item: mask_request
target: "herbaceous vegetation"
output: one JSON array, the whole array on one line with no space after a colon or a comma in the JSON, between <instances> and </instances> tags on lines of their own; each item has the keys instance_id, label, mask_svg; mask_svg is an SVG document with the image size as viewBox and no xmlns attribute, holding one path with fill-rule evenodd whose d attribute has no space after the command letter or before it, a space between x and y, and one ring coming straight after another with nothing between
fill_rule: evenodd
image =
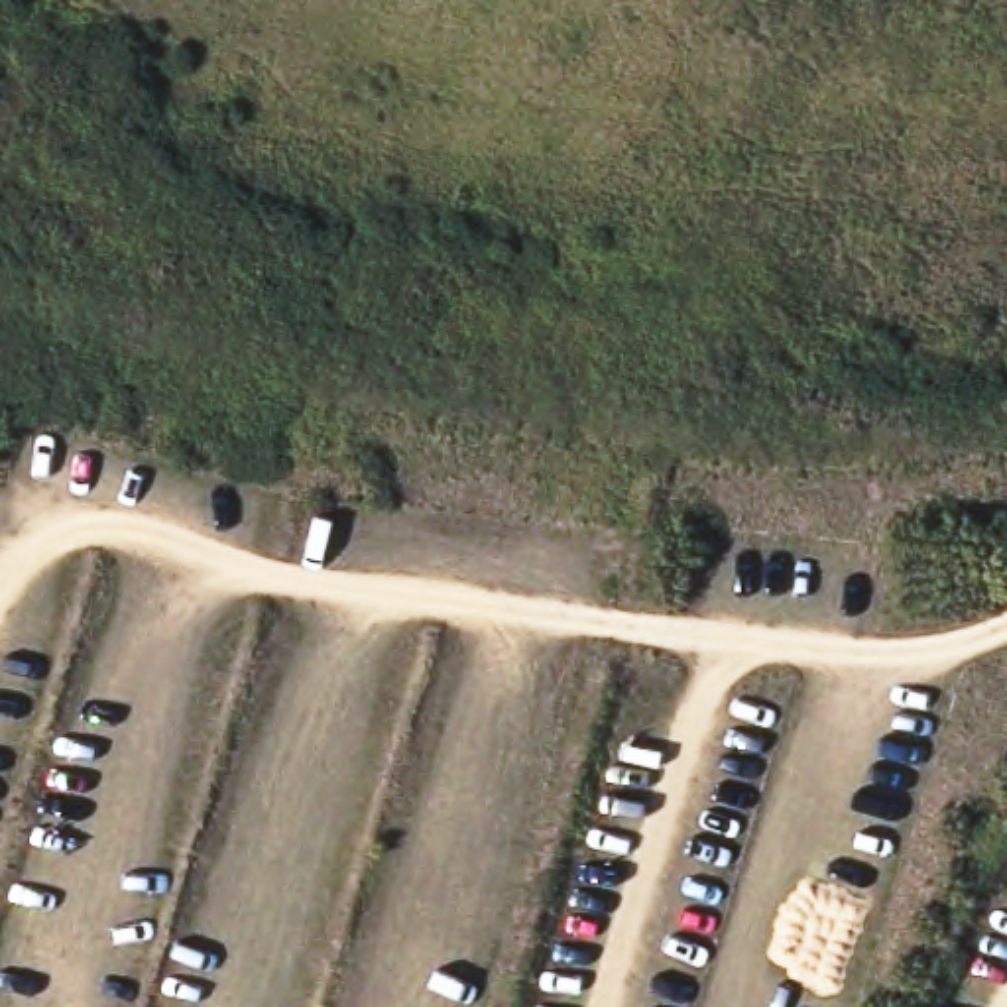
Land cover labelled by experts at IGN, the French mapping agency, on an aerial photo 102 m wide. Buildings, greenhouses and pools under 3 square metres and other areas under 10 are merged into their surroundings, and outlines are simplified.
<instances>
[{"instance_id":1,"label":"herbaceous vegetation","mask_svg":"<svg viewBox=\"0 0 1007 1007\"><path fill-rule=\"evenodd\" d=\"M173 83L165 110L130 79L130 20L165 20L165 43L201 39L208 51L201 71L189 71ZM267 212L264 205L244 208L236 197L224 197L212 185L212 173L220 165L248 173L260 189L311 201L326 216L350 216L350 240L311 236L303 220ZM460 208L515 224L523 232L523 252L472 240L456 224ZM924 507L940 496L1007 500L1007 0L0 0L0 464L24 460L31 437L47 437L55 425L71 425L75 433L87 429L106 437L130 437L134 429L142 429L142 421L157 421L161 413L173 421L169 452L177 468L220 468L220 488L240 492L244 484L279 484L291 468L354 468L346 448L350 433L362 441L389 444L405 500L413 500L433 480L444 484L468 472L492 472L507 484L535 480L535 504L555 504L555 488L570 488L578 507L602 504L606 527L622 531L625 543L637 543L641 566L657 570L665 563L665 543L649 527L653 488L645 472L645 448L665 448L673 460L681 460L688 484L700 488L724 511L732 539L747 551L791 551L791 559L806 566L822 563L822 574L838 578L842 586L850 574L869 574L873 594L865 614L850 614L850 637L893 641L948 629L928 614L928 602L913 610L901 606L901 574L889 555L893 515Z\"/></svg>"}]
</instances>

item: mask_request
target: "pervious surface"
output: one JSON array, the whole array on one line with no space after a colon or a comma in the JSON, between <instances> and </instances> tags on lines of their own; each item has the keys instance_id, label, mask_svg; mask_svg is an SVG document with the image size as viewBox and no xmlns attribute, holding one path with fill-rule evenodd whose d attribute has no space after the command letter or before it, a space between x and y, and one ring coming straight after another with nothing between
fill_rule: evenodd
<instances>
[{"instance_id":1,"label":"pervious surface","mask_svg":"<svg viewBox=\"0 0 1007 1007\"><path fill-rule=\"evenodd\" d=\"M87 429L75 433L71 425L55 425L47 437L31 437L24 460L0 464L0 1007L865 1007L865 999L877 987L893 983L893 976L901 972L897 960L917 944L917 913L924 913L924 905L948 885L952 858L944 838L944 806L983 799L995 810L1007 810L1007 614L948 629L893 641L850 637L850 614L865 614L873 594L869 574L850 574L842 586L838 578L822 574L822 563L806 566L791 559L791 551L747 551L732 539L704 602L688 618L665 614L665 590L657 570L641 566L637 543L625 543L622 531L606 527L602 504L578 507L570 488L555 488L555 504L535 504L535 480L507 484L492 472L468 472L444 484L433 480L413 500L405 500L397 511L382 511L374 484L354 468L291 468L279 484L244 484L240 492L220 488L220 468L177 468L169 452L173 421L161 413L157 421L142 421L142 429L134 429L130 437L106 437Z\"/></svg>"},{"instance_id":2,"label":"pervious surface","mask_svg":"<svg viewBox=\"0 0 1007 1007\"><path fill-rule=\"evenodd\" d=\"M1007 893L991 901L991 917L983 924L979 952L964 983L964 1003L976 1007L1007 1007Z\"/></svg>"}]
</instances>

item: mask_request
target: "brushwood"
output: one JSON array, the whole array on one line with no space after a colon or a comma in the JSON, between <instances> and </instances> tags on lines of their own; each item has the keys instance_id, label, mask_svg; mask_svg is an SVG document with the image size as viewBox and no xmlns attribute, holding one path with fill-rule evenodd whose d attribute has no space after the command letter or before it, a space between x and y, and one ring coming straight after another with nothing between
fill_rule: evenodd
<instances>
[{"instance_id":1,"label":"brushwood","mask_svg":"<svg viewBox=\"0 0 1007 1007\"><path fill-rule=\"evenodd\" d=\"M382 511L397 511L405 500L389 444L362 441L350 433L346 448L354 468L374 484Z\"/></svg>"},{"instance_id":2,"label":"brushwood","mask_svg":"<svg viewBox=\"0 0 1007 1007\"><path fill-rule=\"evenodd\" d=\"M913 610L928 602L928 614L948 629L1007 614L1007 500L940 496L924 507L893 515L889 555L901 574L901 606Z\"/></svg>"},{"instance_id":3,"label":"brushwood","mask_svg":"<svg viewBox=\"0 0 1007 1007\"><path fill-rule=\"evenodd\" d=\"M991 917L991 901L1007 893L1007 810L995 810L983 799L944 806L944 838L952 858L948 885L924 905L924 913L917 913L917 944L897 960L901 972L893 976L893 983L877 987L865 999L865 1007L976 1007L964 1003L964 983L979 952L983 924Z\"/></svg>"},{"instance_id":4,"label":"brushwood","mask_svg":"<svg viewBox=\"0 0 1007 1007\"><path fill-rule=\"evenodd\" d=\"M201 71L208 51L201 39L165 43L165 20L130 20L130 79L165 110L173 83L189 71Z\"/></svg>"},{"instance_id":5,"label":"brushwood","mask_svg":"<svg viewBox=\"0 0 1007 1007\"><path fill-rule=\"evenodd\" d=\"M260 189L248 173L220 165L212 173L212 185L224 197L236 197L244 208L264 205L267 212L303 220L311 236L350 240L350 216L326 216L311 201Z\"/></svg>"},{"instance_id":6,"label":"brushwood","mask_svg":"<svg viewBox=\"0 0 1007 1007\"><path fill-rule=\"evenodd\" d=\"M523 232L515 224L460 208L456 224L472 240L523 252Z\"/></svg>"},{"instance_id":7,"label":"brushwood","mask_svg":"<svg viewBox=\"0 0 1007 1007\"><path fill-rule=\"evenodd\" d=\"M665 543L665 563L657 570L665 590L665 614L688 618L704 602L732 539L724 511L700 488L688 484L681 460L673 460L665 448L645 448L645 472L653 488L649 527Z\"/></svg>"}]
</instances>

